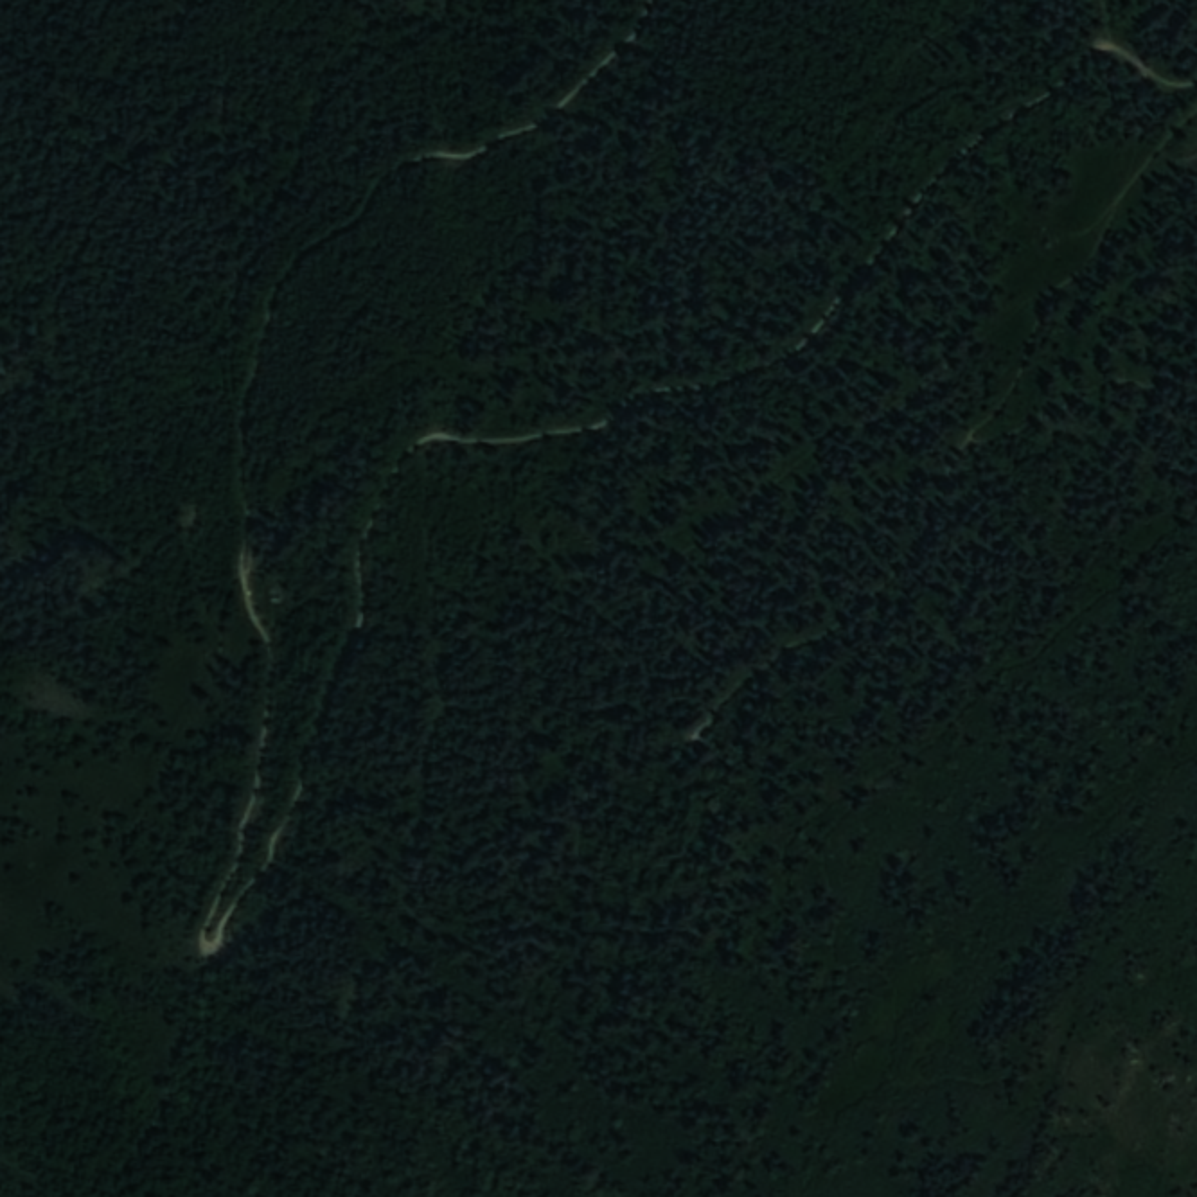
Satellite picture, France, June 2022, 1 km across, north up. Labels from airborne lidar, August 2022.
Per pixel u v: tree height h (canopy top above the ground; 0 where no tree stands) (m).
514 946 25
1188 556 13
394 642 23
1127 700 8
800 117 8
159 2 14
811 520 29
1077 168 0
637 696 21
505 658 19
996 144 12
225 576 7
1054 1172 9
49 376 7
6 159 18
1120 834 6
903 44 5
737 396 10
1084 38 10
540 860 30
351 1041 26
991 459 11
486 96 9
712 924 8
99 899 0
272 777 6
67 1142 14
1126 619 11
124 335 16
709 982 9
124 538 14
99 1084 16
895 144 9
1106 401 10
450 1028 11
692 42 12
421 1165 12
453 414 9
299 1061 15
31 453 19
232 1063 24
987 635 9
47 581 26
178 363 12
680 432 12
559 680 22
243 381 12
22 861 0
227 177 27
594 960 11
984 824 6
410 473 7
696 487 7
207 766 13
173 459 9
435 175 8
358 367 22
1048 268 0
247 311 15
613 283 13
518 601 16
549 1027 8
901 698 29
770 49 14
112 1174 11
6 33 20
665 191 11
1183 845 7
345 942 26
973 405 10
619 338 14
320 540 13
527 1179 7
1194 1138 0
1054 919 7
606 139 31
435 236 14
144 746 15
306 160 14
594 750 11
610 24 28
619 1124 7
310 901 22
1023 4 10
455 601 16
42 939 0
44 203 18
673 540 0
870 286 32
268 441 16
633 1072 10
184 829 12
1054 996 10
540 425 8
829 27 9
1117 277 24
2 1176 11
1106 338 10
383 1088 13
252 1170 9
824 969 9
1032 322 0
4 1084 11
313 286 15
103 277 6
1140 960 6
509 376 6
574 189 8
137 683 15
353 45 11
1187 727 7
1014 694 10
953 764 9
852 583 27
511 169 14
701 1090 10
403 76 16
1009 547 25
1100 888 5
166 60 7
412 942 8
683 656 23
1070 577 9
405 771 23
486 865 16
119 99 24
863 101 8
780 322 12
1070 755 9
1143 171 0
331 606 12
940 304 33
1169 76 7
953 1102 12
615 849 8
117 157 17
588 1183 15
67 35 30
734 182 27
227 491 11
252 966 9
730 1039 11
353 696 18
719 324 7
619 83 26
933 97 6
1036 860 17
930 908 9
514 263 10
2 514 10
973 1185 13
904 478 0
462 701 23
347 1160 8
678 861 6
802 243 18
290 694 7
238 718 12
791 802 22
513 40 19
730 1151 8
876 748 17
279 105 21
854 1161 8
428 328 11
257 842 13
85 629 7
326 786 8
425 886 19
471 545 6
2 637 12
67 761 11
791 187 31
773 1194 7
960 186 8
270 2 15
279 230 20
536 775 33
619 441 8
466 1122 12
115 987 8
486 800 22
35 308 27
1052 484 9
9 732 12
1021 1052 0
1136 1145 0
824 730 10
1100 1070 0
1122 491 10
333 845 8
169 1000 11
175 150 23
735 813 11
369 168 14
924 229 8
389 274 13
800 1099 9
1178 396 24
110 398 14
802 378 26
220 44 16
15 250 20
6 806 0
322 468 15
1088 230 0
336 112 25
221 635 10
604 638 24
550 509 8
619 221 9
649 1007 16
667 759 11
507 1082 25
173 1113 13
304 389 14
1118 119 21
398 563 8
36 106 21
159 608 10
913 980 0
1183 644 9
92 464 17
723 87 9
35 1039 12
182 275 18
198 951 0
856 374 29
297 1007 26
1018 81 8
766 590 23
